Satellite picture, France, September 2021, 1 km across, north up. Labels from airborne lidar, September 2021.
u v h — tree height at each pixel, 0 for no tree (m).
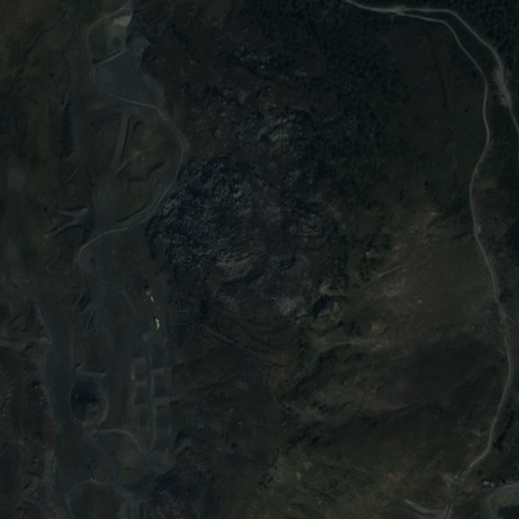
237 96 0
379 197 0
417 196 0
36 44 0
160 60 0
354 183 7
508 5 16
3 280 0
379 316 0
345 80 0
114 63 0
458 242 0
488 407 0
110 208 0
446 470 0
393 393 0
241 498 0
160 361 0
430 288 0
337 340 0
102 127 0
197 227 0
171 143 0
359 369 0
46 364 0
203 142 0
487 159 0
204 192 0
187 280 0
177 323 0
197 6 0
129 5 0
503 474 0
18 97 0
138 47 0
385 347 0
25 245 0
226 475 0
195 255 0
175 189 0
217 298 0
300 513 0
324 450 0
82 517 0
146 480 0
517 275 0
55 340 0
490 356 0
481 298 0
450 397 0
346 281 6
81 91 0
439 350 0
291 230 0
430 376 0
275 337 0
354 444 0
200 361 0
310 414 0
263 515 0
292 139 0
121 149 0
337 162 0
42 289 0
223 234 0
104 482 0
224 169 0
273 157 0
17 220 0
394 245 0
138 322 0
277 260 0
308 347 14
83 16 0
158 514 0
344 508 0
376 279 0
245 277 0
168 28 0
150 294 0
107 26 0
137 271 0
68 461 0
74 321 0
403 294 0
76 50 0
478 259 0
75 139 0
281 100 0
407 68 0
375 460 0
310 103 0
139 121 0
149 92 0
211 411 0
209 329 0
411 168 0
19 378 0
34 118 0
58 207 0
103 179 0
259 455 0
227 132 0
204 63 0
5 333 0
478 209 0
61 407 0
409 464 0
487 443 0
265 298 0
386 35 0
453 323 0
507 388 0
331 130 0
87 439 0
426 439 0
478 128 0
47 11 0
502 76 0
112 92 0
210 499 0
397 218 0
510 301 0
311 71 0
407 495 0
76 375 0
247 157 0
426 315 0
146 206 0
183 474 0
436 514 0
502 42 17
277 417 0
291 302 0
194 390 0
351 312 0
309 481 0
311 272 0
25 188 0
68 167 0
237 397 0
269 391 0
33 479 0
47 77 0
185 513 0
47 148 0
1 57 0
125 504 0
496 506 0
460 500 0
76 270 0
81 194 0
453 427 0
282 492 0
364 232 0
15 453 0
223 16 0
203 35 0
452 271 0
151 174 0
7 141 0
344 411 0
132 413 0
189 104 0
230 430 0
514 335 0
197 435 0
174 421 0
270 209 0
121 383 0
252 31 0
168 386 0
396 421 0
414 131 0
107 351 0
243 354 0
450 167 0
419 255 0
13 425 0
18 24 0
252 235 0
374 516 0
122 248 0
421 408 0
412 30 0
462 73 0
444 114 0
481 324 0
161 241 0
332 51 8
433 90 0
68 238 0
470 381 0
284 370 0
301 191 0
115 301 0
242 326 0
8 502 0
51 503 0
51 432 0
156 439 0
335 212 0
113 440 0
